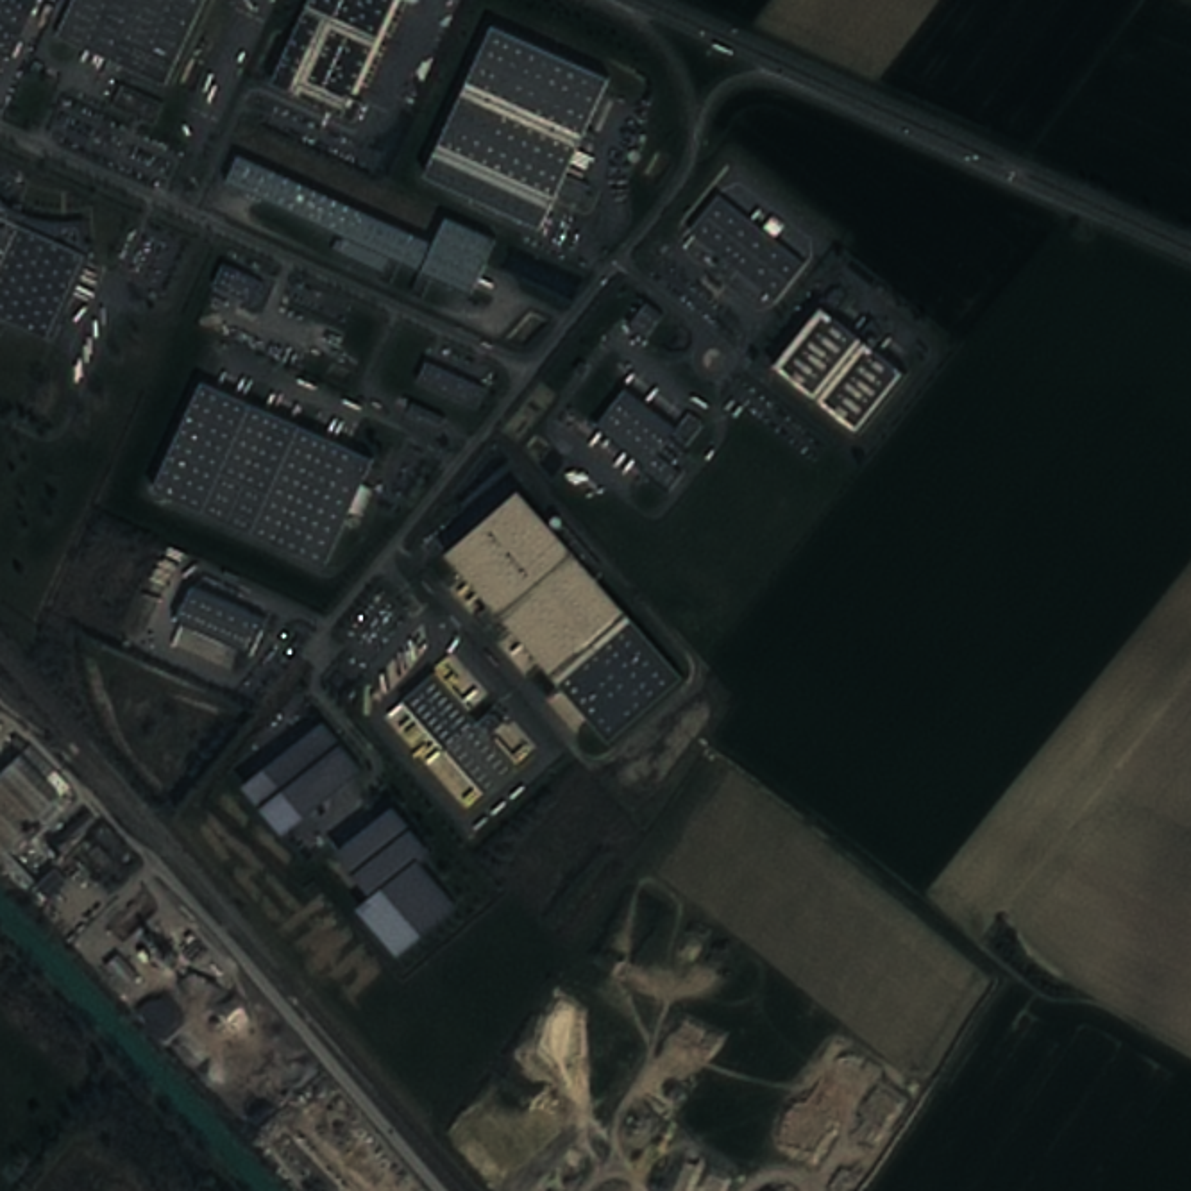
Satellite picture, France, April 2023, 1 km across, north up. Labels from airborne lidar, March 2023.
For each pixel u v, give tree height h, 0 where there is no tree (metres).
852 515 0
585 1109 0
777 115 0
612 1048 0
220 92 0
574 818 0
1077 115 0
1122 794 0
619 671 0
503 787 0
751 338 0
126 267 0
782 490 0
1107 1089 0
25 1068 0
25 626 0
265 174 0
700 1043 0
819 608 0
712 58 0
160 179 0
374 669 0
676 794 0
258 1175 0
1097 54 0
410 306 0
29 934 0
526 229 0
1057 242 0
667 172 0
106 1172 0
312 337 0
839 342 0
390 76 0
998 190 0
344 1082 0
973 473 0
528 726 0
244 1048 0
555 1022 0
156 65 0
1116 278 0
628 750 0
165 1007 0
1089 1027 0
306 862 0
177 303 0
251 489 0
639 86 0
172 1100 0
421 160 0
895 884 0
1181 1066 0
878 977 0
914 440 0
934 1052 0
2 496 0
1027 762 0
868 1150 0
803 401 0
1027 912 0
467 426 0
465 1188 0
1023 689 0
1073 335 0
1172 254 0
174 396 0
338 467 0
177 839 0
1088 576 0
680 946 0
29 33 0
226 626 0
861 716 0
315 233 0
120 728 0
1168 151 0
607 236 0
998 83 0
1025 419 0
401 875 0
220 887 0
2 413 13
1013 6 0
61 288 0
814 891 0
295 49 0
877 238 0
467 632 0
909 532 0
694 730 0
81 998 0
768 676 0
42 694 0
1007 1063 0
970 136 0
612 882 0
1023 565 0
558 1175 0
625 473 0
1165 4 0
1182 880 0
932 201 0
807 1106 0
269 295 0
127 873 9
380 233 0
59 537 0
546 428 0
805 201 0
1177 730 0
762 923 0
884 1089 0
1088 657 0
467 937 0
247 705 9
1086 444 0
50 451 0
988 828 0
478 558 0
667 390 0
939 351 0
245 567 0
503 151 0
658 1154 0
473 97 0
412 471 0
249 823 0
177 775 0
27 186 0
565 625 0
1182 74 0
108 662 0
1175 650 0
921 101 0
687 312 0
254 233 0
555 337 0
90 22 0
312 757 0
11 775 0
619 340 0
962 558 0
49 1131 0
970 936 0
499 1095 0
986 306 0
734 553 0
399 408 0
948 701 0
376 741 0
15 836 0
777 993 0
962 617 0
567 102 0
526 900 0
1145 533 0
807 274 0
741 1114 0
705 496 0
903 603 0
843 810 0
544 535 0
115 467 0
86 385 0
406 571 0
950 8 0
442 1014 0
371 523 0
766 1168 0
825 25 0
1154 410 0
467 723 0
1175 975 0
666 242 0
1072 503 0
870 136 0
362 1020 0
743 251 0
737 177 0
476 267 0
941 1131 0
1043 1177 0
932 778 0
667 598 0
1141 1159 0
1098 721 0
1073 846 0
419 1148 0
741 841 0
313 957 0
